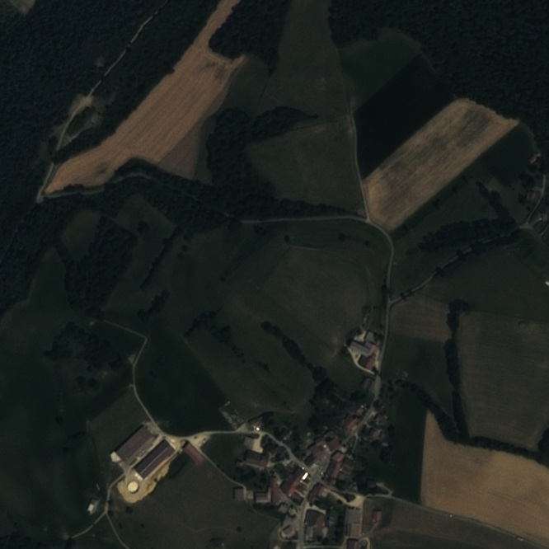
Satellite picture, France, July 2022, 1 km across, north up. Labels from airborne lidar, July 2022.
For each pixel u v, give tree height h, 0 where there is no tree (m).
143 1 10
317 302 0
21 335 0
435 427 0
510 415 0
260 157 0
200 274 0
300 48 0
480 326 0
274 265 0
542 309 0
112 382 0
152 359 0
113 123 8
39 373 0
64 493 0
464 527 0
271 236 0
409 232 14
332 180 0
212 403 0
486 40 30
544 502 0
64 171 0
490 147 0
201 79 0
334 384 8
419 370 0
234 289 0
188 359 0
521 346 0
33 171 10
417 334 0
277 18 17
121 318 0
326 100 0
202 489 0
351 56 0
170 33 7
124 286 0
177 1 6
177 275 0
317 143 0
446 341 0
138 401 0
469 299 0
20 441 0
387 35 0
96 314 13
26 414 0
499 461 0
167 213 12
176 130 0
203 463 0
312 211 16
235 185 10
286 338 11
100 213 10
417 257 0
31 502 0
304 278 0
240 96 0
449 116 0
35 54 12
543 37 33
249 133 7
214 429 0
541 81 27
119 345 0
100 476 0
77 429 0
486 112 0
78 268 18
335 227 0
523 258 0
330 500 0
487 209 0
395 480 0
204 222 14
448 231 20
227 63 0
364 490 18
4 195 7
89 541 0
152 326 0
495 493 0
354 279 0
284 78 0
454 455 0
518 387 0
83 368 0
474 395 0
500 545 0
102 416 0
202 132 0
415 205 0
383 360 0
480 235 19
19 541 18
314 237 0
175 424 0
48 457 0
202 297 0
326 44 0
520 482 0
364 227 0
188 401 0
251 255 0
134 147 0
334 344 0
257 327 0
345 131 0
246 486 0
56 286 0
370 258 0
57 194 0
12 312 0
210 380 0
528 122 10
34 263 19
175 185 18
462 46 25
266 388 0
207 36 0
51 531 0
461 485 0
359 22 13
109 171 0
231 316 0
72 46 7
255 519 0
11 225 19
